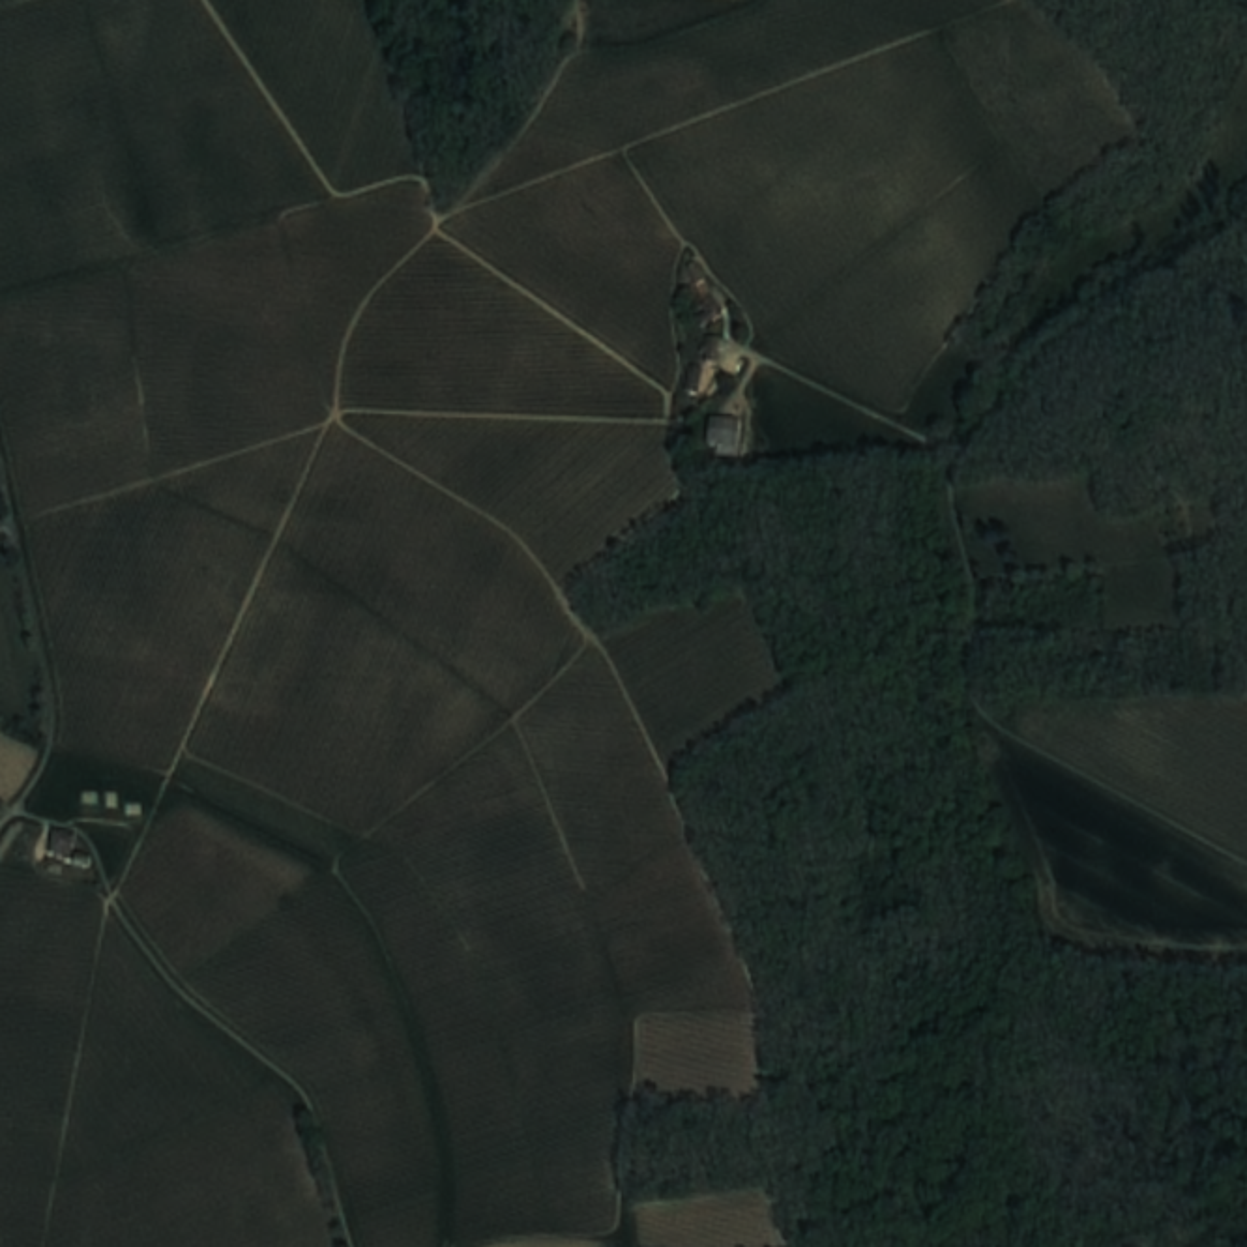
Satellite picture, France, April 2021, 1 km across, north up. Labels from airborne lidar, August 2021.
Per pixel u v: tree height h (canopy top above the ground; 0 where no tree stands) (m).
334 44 0
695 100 0
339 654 0
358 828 0
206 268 0
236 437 0
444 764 0
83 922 0
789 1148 17
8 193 0
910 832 22
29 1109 0
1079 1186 18
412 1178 0
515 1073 0
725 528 22
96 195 0
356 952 0
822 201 0
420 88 18
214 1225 0
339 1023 0
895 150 0
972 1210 24
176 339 0
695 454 21
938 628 20
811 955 19
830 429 0
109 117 0
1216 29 12
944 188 0
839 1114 19
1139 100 14
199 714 0
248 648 0
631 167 0
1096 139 0
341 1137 0
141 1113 0
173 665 0
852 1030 23
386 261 0
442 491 0
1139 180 22
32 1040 0
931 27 0
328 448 0
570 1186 0
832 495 19
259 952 0
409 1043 0
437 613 0
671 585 19
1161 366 20
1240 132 0
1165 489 14
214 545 0
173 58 0
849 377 0
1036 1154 22
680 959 0
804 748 21
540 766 0
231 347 0
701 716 0
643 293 0
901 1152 22
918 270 0
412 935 0
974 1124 26
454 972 0
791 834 21
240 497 0
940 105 0
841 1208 20
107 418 0
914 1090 26
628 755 0
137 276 0
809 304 0
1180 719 0
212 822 0
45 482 0
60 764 0
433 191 9
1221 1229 13
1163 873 0
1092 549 0
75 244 0
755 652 0
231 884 0
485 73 24
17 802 0
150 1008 0
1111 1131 23
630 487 0
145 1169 0
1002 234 0
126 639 0
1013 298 13
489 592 0
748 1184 15
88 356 0
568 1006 0
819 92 0
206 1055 0
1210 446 17
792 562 20
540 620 0
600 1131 0
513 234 0
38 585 0
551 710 0
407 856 0
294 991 0
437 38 14
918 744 25
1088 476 12
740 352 0
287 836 0
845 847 23
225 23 0
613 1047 0
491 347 0
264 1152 0
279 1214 0
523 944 0
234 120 0
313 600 0
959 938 14
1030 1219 27
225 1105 0
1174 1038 21
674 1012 0
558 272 0
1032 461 20
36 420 0
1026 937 23
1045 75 0
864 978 22
